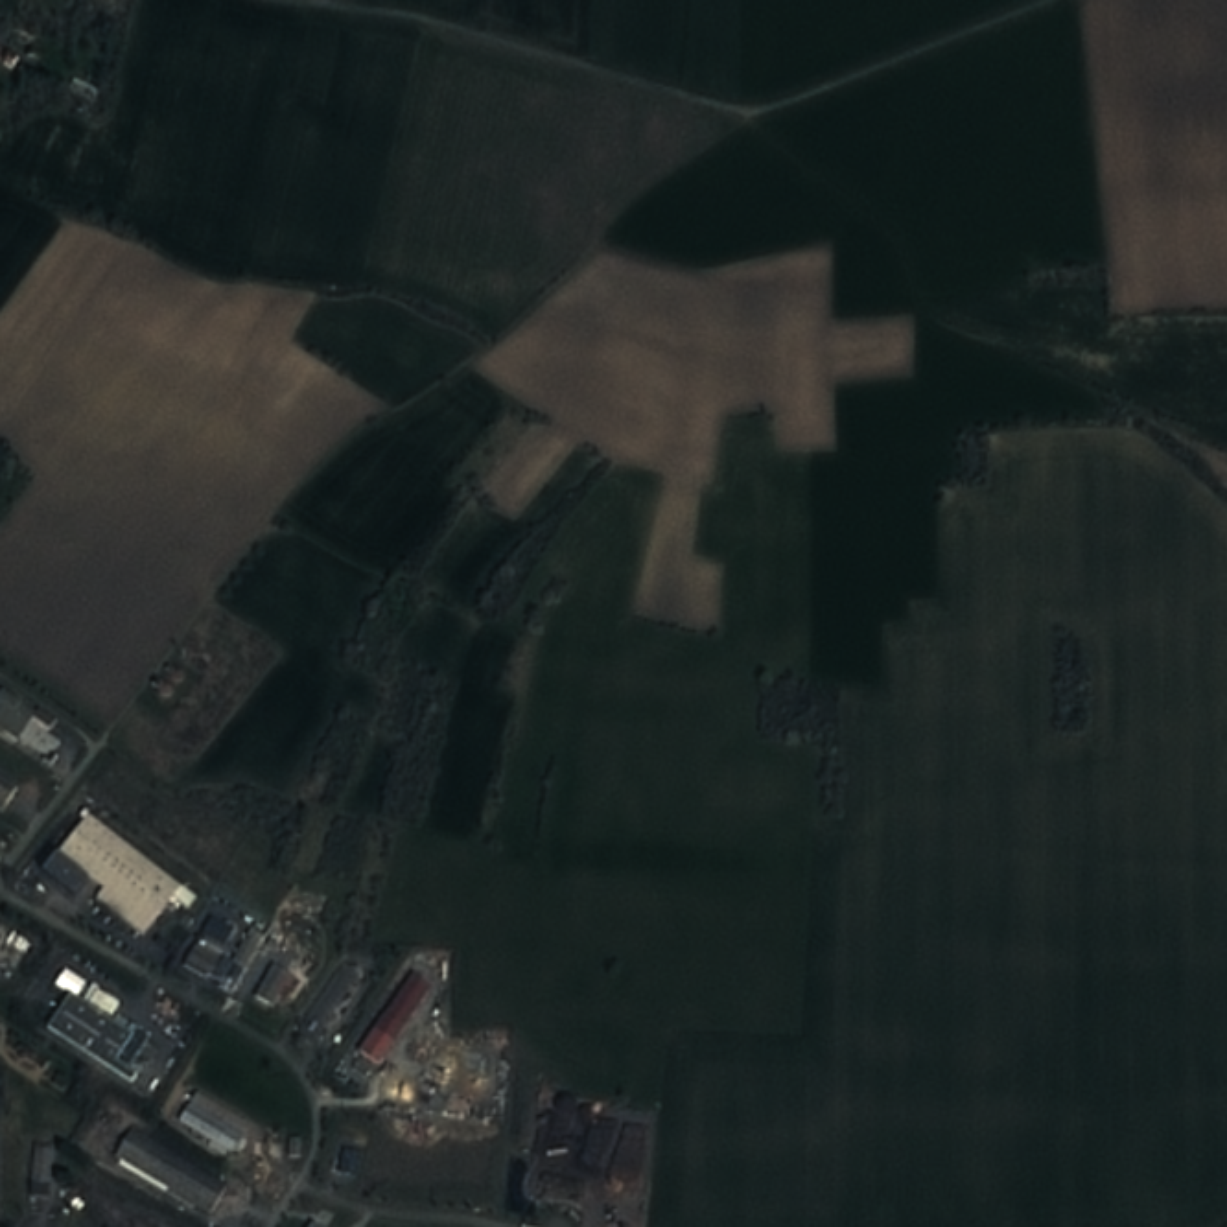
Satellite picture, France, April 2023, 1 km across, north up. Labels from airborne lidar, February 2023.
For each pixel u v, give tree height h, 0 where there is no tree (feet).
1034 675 0
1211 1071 0
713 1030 0
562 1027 0
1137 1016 0
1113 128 0
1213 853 0
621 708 0
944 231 0
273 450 0
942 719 0
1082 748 0
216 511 0
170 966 20
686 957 0
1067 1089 0
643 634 0
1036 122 0
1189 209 0
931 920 0
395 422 0
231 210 0
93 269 0
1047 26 0
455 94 0
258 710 0
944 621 0
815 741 24
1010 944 0
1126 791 0
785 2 0
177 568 0
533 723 0
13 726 0
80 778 0
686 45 0
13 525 0
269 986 0
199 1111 0
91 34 49
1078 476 0
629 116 0
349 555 0
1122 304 0
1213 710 0
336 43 0
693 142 0
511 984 0
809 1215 0
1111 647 0
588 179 0
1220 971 0
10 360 0
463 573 0
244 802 36
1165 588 0
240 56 0
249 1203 0
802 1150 0
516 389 0
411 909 0
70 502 0
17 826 0
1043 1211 0
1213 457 0
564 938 0
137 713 0
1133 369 0
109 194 0
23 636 0
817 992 0
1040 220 0
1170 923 0
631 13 0
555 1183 0
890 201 0
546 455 0
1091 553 0
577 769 0
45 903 0
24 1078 0
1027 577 0
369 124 0
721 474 0
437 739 35
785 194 0
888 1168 0
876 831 0
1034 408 0
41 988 0
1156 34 0
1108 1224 0
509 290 0
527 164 0
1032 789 0
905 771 0
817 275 0
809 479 0
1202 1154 0
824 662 0
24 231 0
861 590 0
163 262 0
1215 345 0
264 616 0
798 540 0
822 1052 0
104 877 0
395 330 0
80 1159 47
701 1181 0
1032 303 0
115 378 0
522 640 0
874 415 0
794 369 0
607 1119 0
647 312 0
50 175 0
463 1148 0
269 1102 0
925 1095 0
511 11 0
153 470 0
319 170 0
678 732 0
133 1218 0
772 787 0
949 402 0
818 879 0
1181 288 0
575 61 0
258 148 0
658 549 0
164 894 0
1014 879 0
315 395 0
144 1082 0
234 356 0
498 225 0
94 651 0
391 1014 0
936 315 0
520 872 0
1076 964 0
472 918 0
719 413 0
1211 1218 0
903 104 0
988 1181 0
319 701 0
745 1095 0
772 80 0
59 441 0
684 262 0
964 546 0
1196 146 0
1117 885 0
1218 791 0
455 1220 0
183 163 0
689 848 0
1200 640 0
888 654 0
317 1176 27
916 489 0
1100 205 0
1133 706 0
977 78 0
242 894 0
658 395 0
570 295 0
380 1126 0
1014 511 0
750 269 0
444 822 0
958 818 0
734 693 0
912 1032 0
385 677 27
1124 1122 0
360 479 0
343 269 0
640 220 0
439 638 0
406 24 0
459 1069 0
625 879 0
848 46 0
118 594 0
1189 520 0
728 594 0
